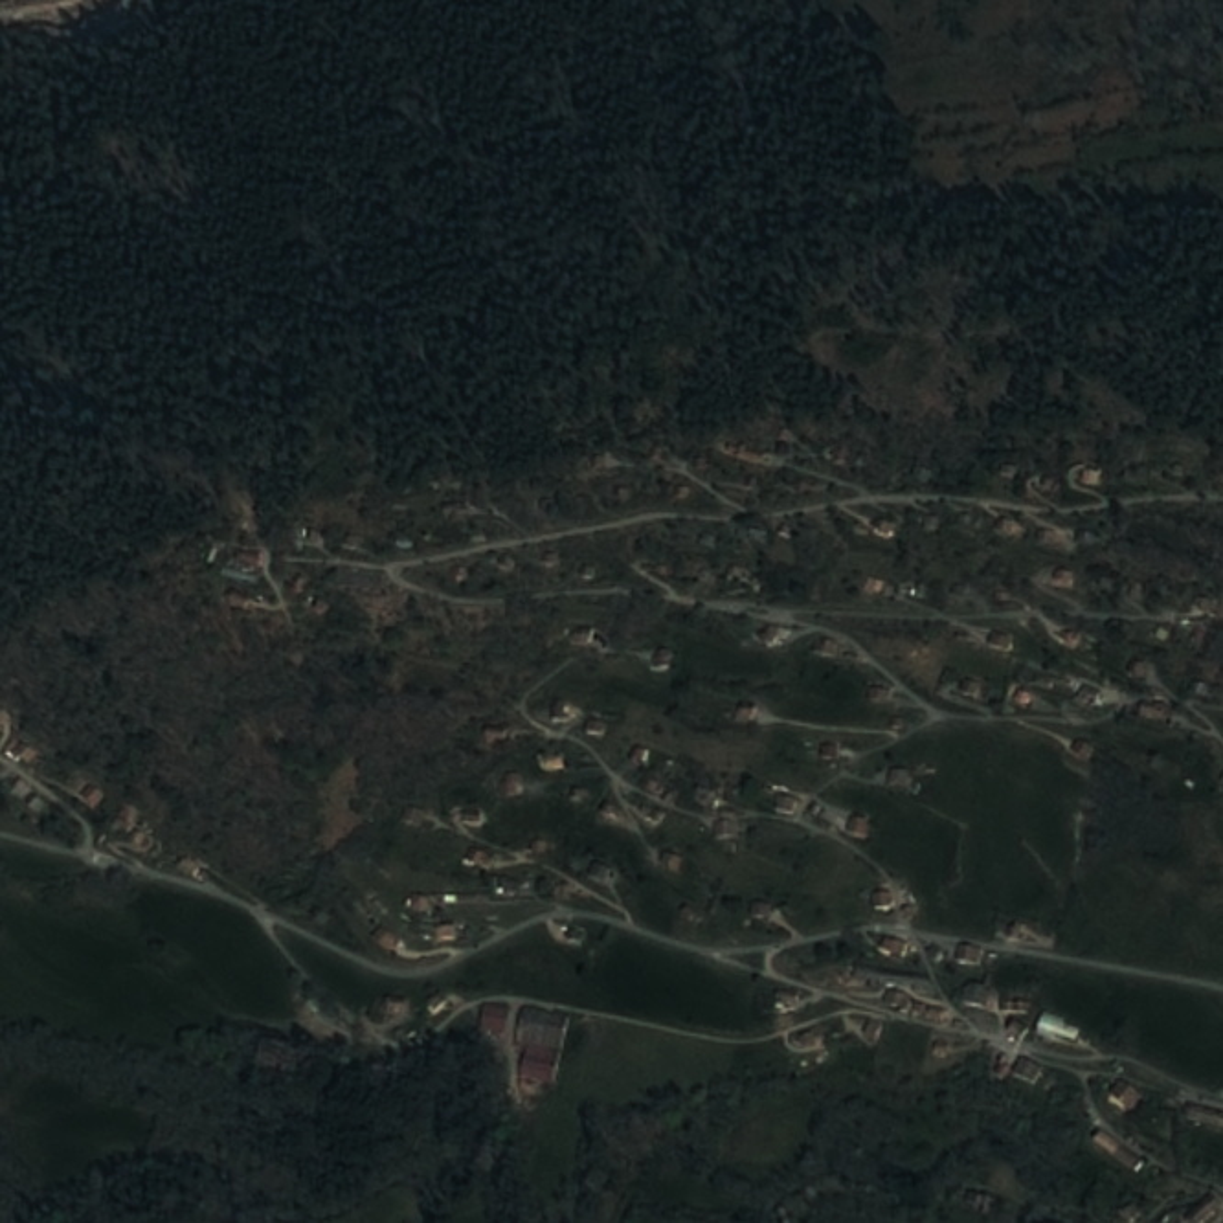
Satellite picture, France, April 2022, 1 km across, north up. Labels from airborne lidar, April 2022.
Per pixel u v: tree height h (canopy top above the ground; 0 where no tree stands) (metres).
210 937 0
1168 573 8
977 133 7
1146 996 0
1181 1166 10
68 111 26
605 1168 23
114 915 0
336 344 24
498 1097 22
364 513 6
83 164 28
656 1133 32
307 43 25
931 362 0
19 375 16
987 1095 18
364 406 8
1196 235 31
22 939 0
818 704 0
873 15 0
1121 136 6
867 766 0
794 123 24
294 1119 27
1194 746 11
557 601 7
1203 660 12
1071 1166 20
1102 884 0
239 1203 27
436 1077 35
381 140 28
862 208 17
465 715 27
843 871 0
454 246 26
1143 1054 0
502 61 29
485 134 28
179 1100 23
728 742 0
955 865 0
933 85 0
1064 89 0
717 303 18
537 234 27
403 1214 0
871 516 12
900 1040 0
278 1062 33
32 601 22
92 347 22
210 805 13
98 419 19
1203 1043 0
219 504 22
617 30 23
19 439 26
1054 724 0
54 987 0
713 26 22
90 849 0
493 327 25
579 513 16
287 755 22
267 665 19
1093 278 25
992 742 0
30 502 21
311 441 27
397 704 27
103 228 29
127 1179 32
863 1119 19
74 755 8
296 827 25
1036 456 13
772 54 26
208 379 24
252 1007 0
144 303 31
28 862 0
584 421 22
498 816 0
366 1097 32
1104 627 6
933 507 7
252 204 29
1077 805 0
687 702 17
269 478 23
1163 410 20
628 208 25
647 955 0
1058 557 0
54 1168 0
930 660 0
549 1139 0
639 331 7
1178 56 20
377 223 24
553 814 0
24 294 29
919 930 0
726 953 0
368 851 23
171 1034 0
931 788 0
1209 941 0
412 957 0
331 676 23
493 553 6
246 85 23
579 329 11
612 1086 0
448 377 27
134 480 22
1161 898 0
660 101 19
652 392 17
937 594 12
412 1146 22
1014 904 0
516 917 0
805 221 21
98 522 25
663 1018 0
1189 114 8
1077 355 21
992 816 0
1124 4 0
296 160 23
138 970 0
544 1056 0
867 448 13
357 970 0
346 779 0
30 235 28
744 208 22
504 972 0
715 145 21
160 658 16
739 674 0
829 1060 0
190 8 20
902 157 30
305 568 6
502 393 19
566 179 26
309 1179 24
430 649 8
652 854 0
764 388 23
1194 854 0
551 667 12
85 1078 20
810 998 0
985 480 6
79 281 22
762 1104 20
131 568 22
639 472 13
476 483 11
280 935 0
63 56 21
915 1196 32
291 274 32
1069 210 15
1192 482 7
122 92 30
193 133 34
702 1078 0
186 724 13
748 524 12
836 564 8
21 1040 20
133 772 8
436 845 0
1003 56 0
